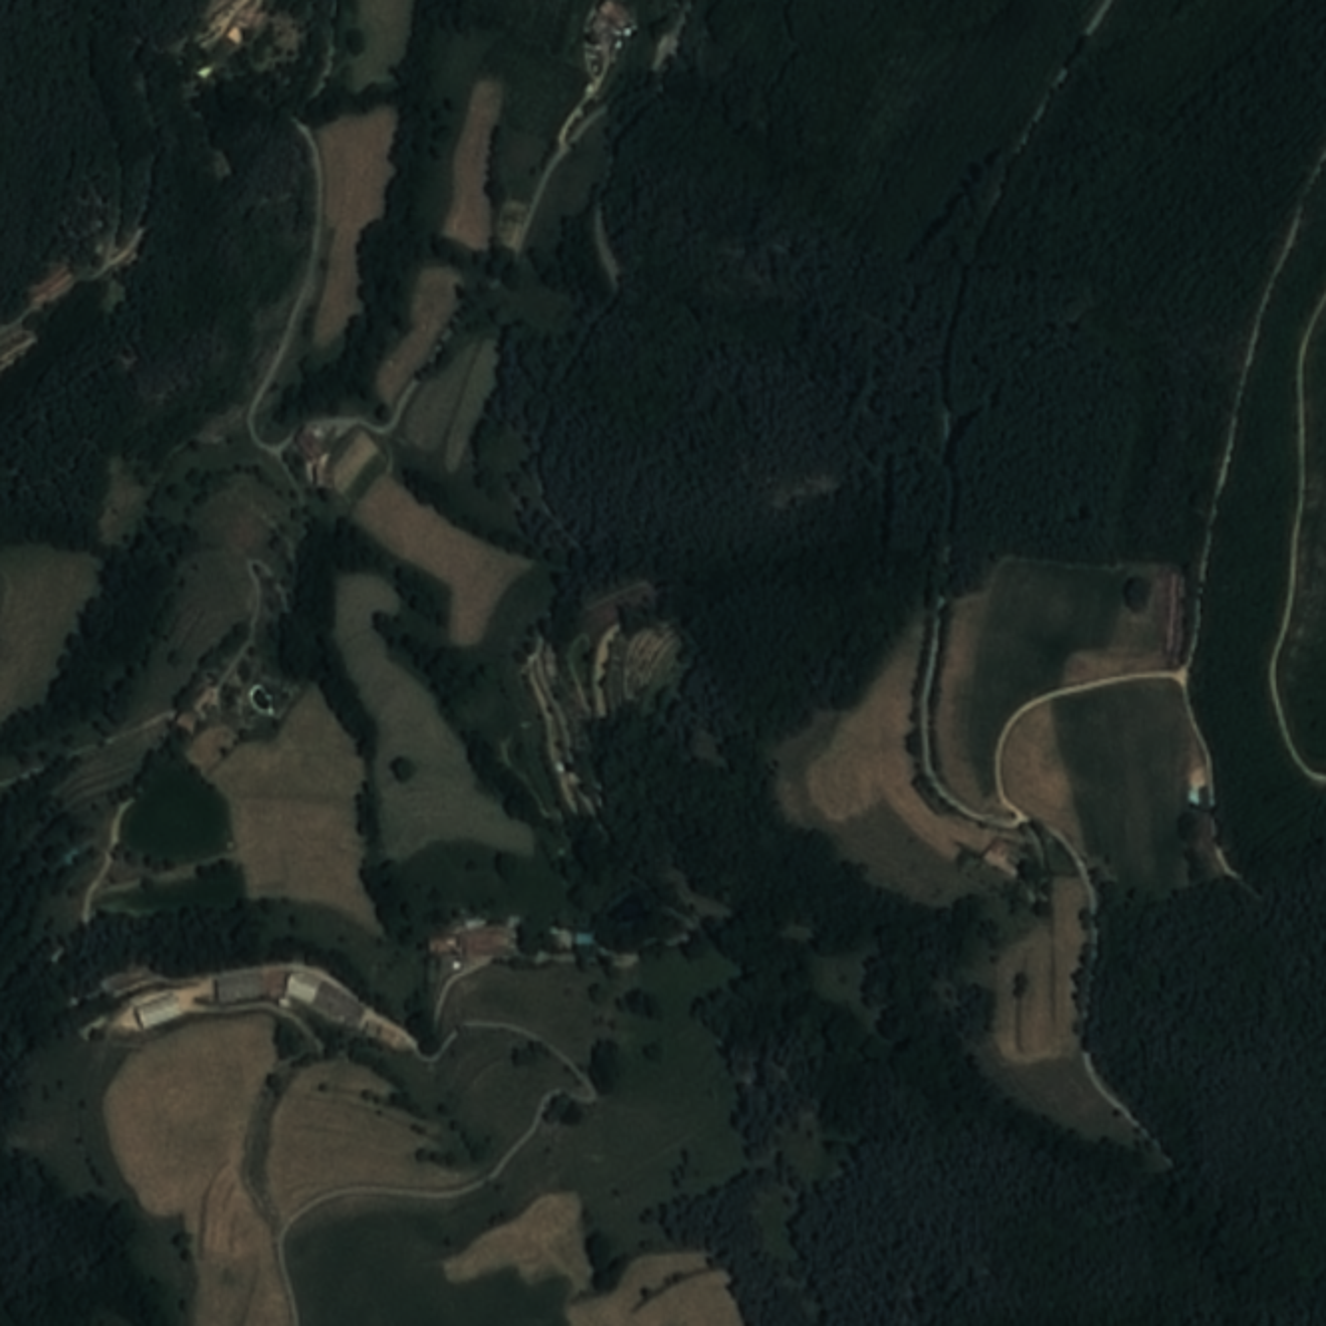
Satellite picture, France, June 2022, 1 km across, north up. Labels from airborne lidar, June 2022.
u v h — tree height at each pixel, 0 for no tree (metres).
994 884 6
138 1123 0
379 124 0
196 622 0
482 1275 0
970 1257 22
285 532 10
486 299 12
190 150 18
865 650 14
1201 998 18
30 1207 18
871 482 24
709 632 21
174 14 12
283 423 8
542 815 15
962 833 0
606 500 18
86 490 21
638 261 15
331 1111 0
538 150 0
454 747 0
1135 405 25
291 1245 0
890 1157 18
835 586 16
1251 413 8
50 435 21
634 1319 0
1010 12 7
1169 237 9
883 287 27
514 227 0
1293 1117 17
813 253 21
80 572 0
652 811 9
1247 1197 20
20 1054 19
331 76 11
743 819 7
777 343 9
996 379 29
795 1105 16
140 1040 0
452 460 0
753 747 11
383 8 0
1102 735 0
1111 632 0
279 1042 11
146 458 13
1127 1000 20
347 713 16
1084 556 24
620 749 14
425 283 0
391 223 15
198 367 14
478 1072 0
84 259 16
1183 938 17
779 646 20
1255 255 9
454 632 0
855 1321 18
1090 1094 0
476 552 0
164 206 23
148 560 14
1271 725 8
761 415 16
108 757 0
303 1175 0
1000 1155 27
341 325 0
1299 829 6
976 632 0
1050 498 29
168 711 0
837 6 12
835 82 16
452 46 0
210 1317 0
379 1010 8
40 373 11
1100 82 6
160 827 0
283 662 10
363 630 0
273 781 0
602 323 13
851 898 15
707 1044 0
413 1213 0
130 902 0
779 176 14
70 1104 0
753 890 18
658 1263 0
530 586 0
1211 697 7
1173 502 8
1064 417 30
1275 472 8
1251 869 8
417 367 0
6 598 0
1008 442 29
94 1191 0
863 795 0
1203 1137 18
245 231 10
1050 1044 0
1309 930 14
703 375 20
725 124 13
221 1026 0
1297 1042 16
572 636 9
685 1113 0
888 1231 19
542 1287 0
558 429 18
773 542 17
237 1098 0
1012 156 11
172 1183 0
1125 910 9
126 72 21
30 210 17
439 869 0
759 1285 17
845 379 20
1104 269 13
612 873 15
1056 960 0
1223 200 9
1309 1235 15
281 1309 0
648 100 8
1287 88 8
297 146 10
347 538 18
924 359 23
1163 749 0
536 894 0
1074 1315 24
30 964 10
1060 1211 21
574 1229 0
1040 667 0
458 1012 0
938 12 16
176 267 20
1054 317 30
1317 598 0
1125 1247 18
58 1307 7
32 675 0
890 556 16
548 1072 0
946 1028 11
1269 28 11
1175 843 0
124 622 20
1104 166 13
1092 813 0
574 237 9
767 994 19
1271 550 6
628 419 16
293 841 0
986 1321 18
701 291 10
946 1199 15
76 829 9
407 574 16
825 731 0
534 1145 0
